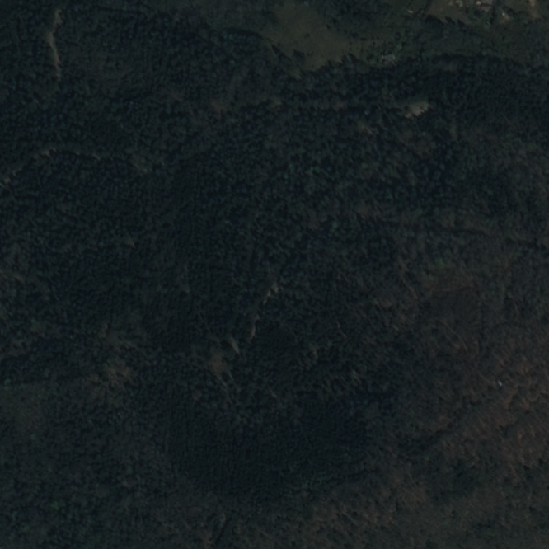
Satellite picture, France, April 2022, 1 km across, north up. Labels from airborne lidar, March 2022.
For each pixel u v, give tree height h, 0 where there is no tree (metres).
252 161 24
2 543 28
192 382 30
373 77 15
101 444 29
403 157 29
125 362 31
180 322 15
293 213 16
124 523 17
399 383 30
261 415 20
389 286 24
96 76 15
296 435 19
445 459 21
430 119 17
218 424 28
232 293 9
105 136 14
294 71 0
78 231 16
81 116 26
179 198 19
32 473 24
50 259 27
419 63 12
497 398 19
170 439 18
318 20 0
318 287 23
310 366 19
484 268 32
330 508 17
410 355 21
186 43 27
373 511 20
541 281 22
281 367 29
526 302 14
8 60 17
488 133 22
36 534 30
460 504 23
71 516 24
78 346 16
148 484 24
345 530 22
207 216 23
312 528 17
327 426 19
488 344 16
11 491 34
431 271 32
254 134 27
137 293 23
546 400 9
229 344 8
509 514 24
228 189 24
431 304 12
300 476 18
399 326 22
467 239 17
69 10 6
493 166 30
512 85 28
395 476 23
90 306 21
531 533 19
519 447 23
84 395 26
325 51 0
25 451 29
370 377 28
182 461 18
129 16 23
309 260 23
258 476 19
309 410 20
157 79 15
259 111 16
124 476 21
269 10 24
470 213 25
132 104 27
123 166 20
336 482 17
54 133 23
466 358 9
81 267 20
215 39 26
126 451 23
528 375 17
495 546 24
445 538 24
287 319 26
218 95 22
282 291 13
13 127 28
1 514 25
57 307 24
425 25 24
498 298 23
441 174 31
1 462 28
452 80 20
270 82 23
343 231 21
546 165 26
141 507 20
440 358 19
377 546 22
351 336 29
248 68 30
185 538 19
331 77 21
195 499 20
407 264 31
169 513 16
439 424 19
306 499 18
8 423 26
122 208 24
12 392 18
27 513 31
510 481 25
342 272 28
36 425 25
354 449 20
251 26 24
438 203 31
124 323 18
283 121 23
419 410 21
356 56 0
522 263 22
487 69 25
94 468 23
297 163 24
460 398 12
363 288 22
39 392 22
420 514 22
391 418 22
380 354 28
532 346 22
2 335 25
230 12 10
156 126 34
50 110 8
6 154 16
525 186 24
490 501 27
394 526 18
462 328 14
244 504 19
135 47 21
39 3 18
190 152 22
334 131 23
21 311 24
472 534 25
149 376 27
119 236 19
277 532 16
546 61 19
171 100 26
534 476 18
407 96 22
